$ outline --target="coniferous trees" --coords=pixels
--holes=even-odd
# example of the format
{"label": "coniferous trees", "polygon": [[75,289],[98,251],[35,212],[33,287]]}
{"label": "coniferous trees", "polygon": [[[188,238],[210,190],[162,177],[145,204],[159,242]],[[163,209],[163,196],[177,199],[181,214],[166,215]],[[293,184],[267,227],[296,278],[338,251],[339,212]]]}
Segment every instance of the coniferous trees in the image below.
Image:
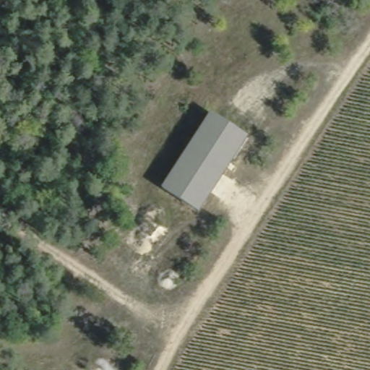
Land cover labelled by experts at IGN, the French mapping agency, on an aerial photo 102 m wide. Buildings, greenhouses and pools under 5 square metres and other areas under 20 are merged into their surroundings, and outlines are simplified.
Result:
{"label": "coniferous trees", "polygon": [[345,7],[350,7],[351,10],[358,10],[361,16],[370,12],[370,0],[335,0]]}
{"label": "coniferous trees", "polygon": [[[127,119],[127,114],[132,110],[134,101],[145,94],[143,82],[146,81],[147,75],[153,71],[173,69],[173,62],[178,61],[179,53],[184,46],[188,46],[192,39],[197,39],[194,30],[197,29],[198,23],[210,22],[211,14],[207,13],[207,10],[218,9],[221,0],[0,0],[0,338],[4,338],[9,334],[7,311],[17,308],[17,314],[29,327],[30,340],[36,343],[43,332],[51,330],[27,314],[25,302],[33,298],[40,315],[56,314],[69,293],[61,282],[62,276],[68,270],[64,264],[56,263],[51,254],[38,250],[40,241],[43,240],[66,251],[81,249],[90,254],[106,236],[106,230],[100,227],[101,220],[95,215],[101,211],[100,205],[104,204],[103,198],[100,197],[103,184],[98,178],[106,169],[107,160],[116,156],[119,147],[113,145],[114,140],[126,136],[127,130],[132,127],[132,121]],[[94,71],[82,62],[82,51],[88,48],[98,52],[101,71]],[[33,71],[39,65],[43,65],[43,71],[40,72],[38,82],[33,87],[30,100],[25,100],[23,91],[20,91],[23,79],[29,69]],[[65,202],[64,207],[59,208],[58,214],[38,208],[33,198],[27,199],[23,195],[12,198],[12,192],[19,185],[32,186],[32,195],[43,189],[53,189],[61,185],[56,178],[64,169],[68,155],[82,156],[79,169],[90,173],[90,191],[81,188],[78,181],[71,181],[71,199]]]}

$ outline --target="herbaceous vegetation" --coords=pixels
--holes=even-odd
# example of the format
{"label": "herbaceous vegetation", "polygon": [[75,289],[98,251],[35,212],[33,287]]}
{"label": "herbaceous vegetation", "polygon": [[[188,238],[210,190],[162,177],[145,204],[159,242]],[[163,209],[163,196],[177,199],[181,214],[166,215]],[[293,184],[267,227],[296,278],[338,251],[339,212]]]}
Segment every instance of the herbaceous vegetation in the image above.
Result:
{"label": "herbaceous vegetation", "polygon": [[[81,296],[91,283],[72,275],[71,270],[68,270],[62,276],[61,282],[69,293],[56,314],[65,315],[64,327],[61,332],[51,330],[43,332],[36,343],[30,340],[12,343],[4,338],[0,338],[0,370],[153,370],[166,345],[159,337],[160,328],[153,327],[146,319],[137,318],[129,308],[110,298],[107,299],[106,305],[98,306]],[[113,348],[108,348],[104,344],[107,343],[108,337],[116,332],[116,328],[123,327],[133,332],[136,338],[136,351],[132,356],[121,358]]]}
{"label": "herbaceous vegetation", "polygon": [[250,165],[244,159],[246,149],[240,150],[234,156],[224,176],[234,179],[238,186],[260,184],[263,181],[260,179],[262,173],[266,171],[273,175],[277,163],[283,156],[277,152],[273,159],[264,159],[263,166]]}
{"label": "herbaceous vegetation", "polygon": [[[136,228],[124,230],[120,234],[119,249],[110,251],[103,263],[95,262],[95,257],[90,254],[81,249],[66,251],[69,256],[97,272],[111,285],[132,296],[136,301],[147,305],[184,304],[191,298],[192,293],[197,291],[199,283],[210,275],[212,267],[233,237],[233,223],[227,212],[224,212],[224,204],[220,198],[212,194],[205,199],[201,210],[195,210],[191,204],[162,185],[208,111],[220,114],[249,134],[247,146],[256,143],[257,146],[263,147],[266,146],[267,139],[270,142],[280,139],[289,150],[304,127],[302,123],[311,119],[332,85],[340,78],[341,72],[344,71],[351,56],[356,53],[358,46],[367,35],[370,36],[370,12],[361,16],[358,10],[351,10],[350,7],[345,7],[335,0],[221,0],[218,9],[207,10],[207,13],[211,14],[210,22],[198,23],[197,29],[194,30],[197,39],[192,39],[188,46],[184,46],[179,53],[178,61],[173,62],[173,69],[153,71],[147,75],[146,81],[143,82],[145,94],[134,101],[132,110],[127,114],[127,119],[132,121],[132,127],[127,130],[126,136],[114,140],[113,145],[119,147],[116,156],[130,165],[127,169],[130,175],[129,185],[133,186],[134,191],[126,207],[134,212]],[[296,92],[305,90],[308,79],[314,77],[314,90],[309,94],[308,104],[298,110],[295,119],[286,120],[283,117],[285,108],[295,98]],[[142,246],[143,238],[150,236],[159,225],[166,228],[165,234],[153,241],[149,253],[137,253]],[[178,273],[178,277],[173,280],[172,289],[163,288],[159,283],[159,273],[165,270],[175,270]]]}

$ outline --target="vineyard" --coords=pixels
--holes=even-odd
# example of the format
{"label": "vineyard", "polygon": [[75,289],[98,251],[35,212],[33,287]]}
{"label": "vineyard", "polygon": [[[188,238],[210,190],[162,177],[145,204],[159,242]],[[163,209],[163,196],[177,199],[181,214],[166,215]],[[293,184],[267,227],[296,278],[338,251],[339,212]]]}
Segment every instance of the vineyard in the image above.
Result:
{"label": "vineyard", "polygon": [[197,318],[186,332],[184,341],[176,348],[168,370],[370,370],[370,56],[360,65],[334,106],[328,111],[327,117],[309,140],[292,172],[257,221],[246,243],[238,251],[236,260],[202,306]]}

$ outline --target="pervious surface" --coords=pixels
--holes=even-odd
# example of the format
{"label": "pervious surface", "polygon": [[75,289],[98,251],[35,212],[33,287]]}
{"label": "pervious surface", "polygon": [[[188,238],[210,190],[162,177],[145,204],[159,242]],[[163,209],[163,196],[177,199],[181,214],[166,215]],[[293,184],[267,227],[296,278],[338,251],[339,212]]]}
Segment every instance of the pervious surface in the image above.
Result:
{"label": "pervious surface", "polygon": [[159,225],[150,236],[143,238],[142,246],[137,253],[149,253],[153,241],[165,234],[166,228]]}
{"label": "pervious surface", "polygon": [[159,337],[166,345],[153,370],[168,370],[176,348],[184,341],[186,332],[197,318],[202,306],[236,260],[238,251],[246,243],[257,221],[292,172],[309,140],[327,117],[328,111],[334,106],[360,65],[370,56],[370,36],[367,35],[358,46],[356,53],[351,56],[344,71],[341,72],[340,78],[332,85],[311,119],[302,123],[304,127],[289,150],[283,156],[277,163],[273,175],[266,171],[262,173],[260,179],[263,181],[260,184],[238,186],[234,179],[224,176],[221,176],[212,194],[220,198],[224,204],[224,212],[227,212],[233,223],[233,237],[212,267],[210,275],[199,283],[197,291],[192,293],[191,298],[184,304],[147,305],[136,301],[132,296],[111,285],[97,272],[69,256],[66,251],[43,240],[40,241],[38,250],[51,254],[56,263],[64,264],[68,270],[71,270],[72,275],[91,283],[103,289],[110,298],[129,308],[137,318],[146,319],[153,327],[160,328]]}
{"label": "pervious surface", "polygon": [[159,273],[159,283],[163,288],[172,289],[173,280],[178,277],[178,273],[175,270],[165,270]]}

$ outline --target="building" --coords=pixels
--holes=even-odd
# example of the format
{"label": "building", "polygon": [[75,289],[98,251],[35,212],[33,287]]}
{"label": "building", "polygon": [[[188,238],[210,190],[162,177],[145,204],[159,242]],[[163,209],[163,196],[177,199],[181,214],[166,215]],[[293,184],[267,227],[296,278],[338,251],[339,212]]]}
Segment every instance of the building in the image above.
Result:
{"label": "building", "polygon": [[240,150],[246,149],[247,146],[249,134],[220,114],[208,111],[162,185],[191,204],[195,210],[201,210],[205,199],[212,194],[221,176],[224,176],[234,156]]}

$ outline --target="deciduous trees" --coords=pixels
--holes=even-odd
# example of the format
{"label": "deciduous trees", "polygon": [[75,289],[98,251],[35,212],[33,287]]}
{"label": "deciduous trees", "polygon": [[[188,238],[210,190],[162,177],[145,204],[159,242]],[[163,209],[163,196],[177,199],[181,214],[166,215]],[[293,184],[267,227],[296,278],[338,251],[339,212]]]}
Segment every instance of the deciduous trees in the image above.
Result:
{"label": "deciduous trees", "polygon": [[101,211],[95,215],[101,220],[100,227],[106,230],[106,236],[90,254],[95,257],[95,262],[103,263],[110,251],[119,249],[120,234],[124,230],[136,228],[134,212],[126,207],[134,191],[133,186],[129,185],[130,175],[127,169],[130,165],[116,156],[107,160],[106,169],[98,178],[103,184],[100,197],[103,198],[104,204],[100,205]]}
{"label": "deciduous trees", "polygon": [[33,298],[25,302],[27,314],[51,330],[61,332],[64,327],[65,315],[56,314],[40,315]]}
{"label": "deciduous trees", "polygon": [[110,298],[103,289],[91,283],[81,296],[98,306],[106,305],[107,299]]}
{"label": "deciduous trees", "polygon": [[246,149],[244,159],[250,165],[263,166],[264,159],[273,159],[277,152],[283,156],[289,150],[280,139],[270,142],[267,139],[266,146],[263,147],[257,146],[256,143],[247,146]]}
{"label": "deciduous trees", "polygon": [[65,202],[71,199],[71,181],[78,181],[81,188],[90,191],[90,173],[79,169],[82,156],[68,155],[64,169],[56,178],[61,185],[53,189],[43,189],[32,195],[32,186],[19,185],[12,192],[12,198],[23,195],[27,199],[33,198],[38,208],[58,214],[59,208],[64,207]]}
{"label": "deciduous trees", "polygon": [[29,69],[23,79],[20,91],[23,91],[25,100],[30,100],[33,87],[38,82],[40,72],[43,71],[43,65],[39,65],[33,71]]}
{"label": "deciduous trees", "polygon": [[136,351],[136,338],[133,332],[123,327],[116,328],[116,332],[108,337],[107,343],[104,344],[108,348],[113,348],[121,358],[132,356]]}
{"label": "deciduous trees", "polygon": [[82,62],[94,71],[101,71],[98,52],[88,48],[82,51]]}
{"label": "deciduous trees", "polygon": [[296,92],[295,98],[285,108],[283,117],[286,120],[295,119],[298,110],[308,104],[309,94],[314,90],[314,77],[308,79],[305,90]]}
{"label": "deciduous trees", "polygon": [[30,340],[29,327],[17,314],[17,308],[7,311],[9,334],[4,338],[12,343]]}

